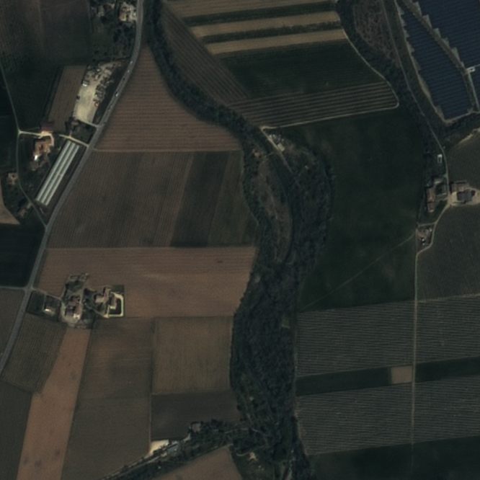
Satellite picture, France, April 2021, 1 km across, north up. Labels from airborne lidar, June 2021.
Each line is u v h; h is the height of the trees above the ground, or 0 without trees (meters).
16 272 0
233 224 0
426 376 0
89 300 6
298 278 17
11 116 0
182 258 0
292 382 20
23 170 0
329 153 0
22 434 0
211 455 0
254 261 0
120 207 0
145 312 0
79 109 0
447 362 0
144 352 0
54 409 0
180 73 28
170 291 0
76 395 0
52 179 0
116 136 0
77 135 12
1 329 0
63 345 0
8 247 0
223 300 0
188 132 0
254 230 0
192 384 0
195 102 9
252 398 0
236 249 0
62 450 0
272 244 10
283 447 7
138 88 0
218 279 0
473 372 0
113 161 0
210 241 0
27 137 0
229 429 6
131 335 0
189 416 0
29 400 0
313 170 9
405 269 0
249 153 12
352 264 0
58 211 0
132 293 0
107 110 0
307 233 15
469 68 0
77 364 0
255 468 0
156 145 0
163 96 0
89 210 0
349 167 0
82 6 0
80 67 0
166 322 0
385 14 0
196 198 0
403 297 0
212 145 0
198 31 0
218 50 0
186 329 0
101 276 0
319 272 0
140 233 0
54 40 0
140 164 0
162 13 18
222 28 0
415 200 0
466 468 0
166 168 0
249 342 24
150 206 0
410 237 0
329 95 6
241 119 7
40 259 0
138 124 0
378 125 0
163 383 0
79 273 0
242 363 18
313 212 0
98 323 0
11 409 0
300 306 0
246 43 0
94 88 0
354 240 0
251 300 17
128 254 0
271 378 7
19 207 7
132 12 0
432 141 10
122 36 11
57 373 0
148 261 0
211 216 0
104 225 0
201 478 0
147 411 0
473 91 0
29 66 0
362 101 6
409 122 0
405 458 0
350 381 0
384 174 0
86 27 0
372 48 7
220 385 0
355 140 0
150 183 0
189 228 0
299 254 20
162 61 16
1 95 0
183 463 14
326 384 0
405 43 7
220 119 13
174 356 0
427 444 0
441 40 0
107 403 0
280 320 11
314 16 0
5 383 0
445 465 0
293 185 13
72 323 0
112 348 0
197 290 0
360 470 0
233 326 8
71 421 0
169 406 0
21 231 0
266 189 0
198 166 0
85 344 0
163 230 0
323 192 13
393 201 0
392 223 0
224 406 0
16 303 0
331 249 0
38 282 0
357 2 7
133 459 0
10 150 0
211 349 0
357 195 0
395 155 0
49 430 0
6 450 0
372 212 0
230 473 0
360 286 0
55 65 0
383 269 0
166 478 0
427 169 7
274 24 0
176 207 0
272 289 30
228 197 0
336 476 0
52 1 0
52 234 0
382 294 0
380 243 0
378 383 0
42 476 0
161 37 25
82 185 0
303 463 13
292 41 0
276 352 14
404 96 13
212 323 0
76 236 0
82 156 0
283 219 7
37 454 0
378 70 16
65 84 0
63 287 0
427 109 6
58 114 0
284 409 31
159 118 0
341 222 0
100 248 0
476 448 0
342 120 0
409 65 6
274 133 8
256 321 12
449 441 0
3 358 0
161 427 0
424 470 0
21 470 0
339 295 0
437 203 0
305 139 0
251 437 9
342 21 14
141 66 0
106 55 6
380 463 0
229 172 0
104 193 0
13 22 6
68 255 0
